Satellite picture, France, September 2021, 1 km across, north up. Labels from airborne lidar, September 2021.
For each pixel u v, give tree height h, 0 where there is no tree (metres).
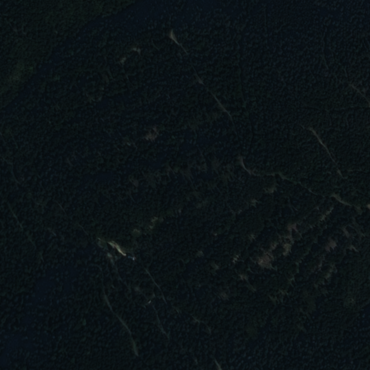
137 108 22
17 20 27
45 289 18
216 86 29
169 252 32
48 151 23
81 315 13
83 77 8
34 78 23
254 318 24
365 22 24
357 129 21
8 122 23
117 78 30
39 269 22
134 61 31
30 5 27
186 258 31
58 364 25
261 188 29
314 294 33
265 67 24
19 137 23
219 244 27
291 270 29
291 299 20
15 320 31
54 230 10
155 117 25
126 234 19
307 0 20
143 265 10
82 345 17
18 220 7
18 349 14
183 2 26
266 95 20
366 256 26
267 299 26
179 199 29
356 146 20
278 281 30
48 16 27
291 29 17
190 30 29
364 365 23
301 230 28
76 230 8
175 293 7
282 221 28
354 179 16
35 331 23
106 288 18
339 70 23
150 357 21
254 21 23
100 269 11
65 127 32
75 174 11
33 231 31
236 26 21
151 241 15
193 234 32
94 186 22
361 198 21
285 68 18
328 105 17
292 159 22
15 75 7
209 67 18
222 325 27
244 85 19
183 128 23
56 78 33
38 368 24
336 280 30
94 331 28
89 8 32
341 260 24
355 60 17
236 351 28
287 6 22
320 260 32
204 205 17
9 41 21
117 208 26
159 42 17
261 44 23
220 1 18
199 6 15
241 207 30
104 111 30
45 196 16
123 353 17
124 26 24
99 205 7
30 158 18
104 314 7
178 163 24
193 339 7
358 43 16
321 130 20
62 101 26
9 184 31
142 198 20
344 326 37
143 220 25
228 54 20
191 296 36
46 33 30
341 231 29
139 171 22
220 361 14
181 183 19
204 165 12
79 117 27
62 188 22
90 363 22
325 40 23
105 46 20
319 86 20
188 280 34
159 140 16
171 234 39
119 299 7
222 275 18
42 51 23
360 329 14
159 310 19
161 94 19
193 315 13
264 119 12
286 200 8
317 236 26
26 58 26
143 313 20
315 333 37
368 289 26
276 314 32
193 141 32
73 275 10
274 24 21
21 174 16
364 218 20
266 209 34
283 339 36
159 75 19
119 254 17
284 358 10
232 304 25
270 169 24
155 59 25
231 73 19
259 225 28
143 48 10
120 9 26
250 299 35
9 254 8
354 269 16
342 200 20
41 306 19
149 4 19
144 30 23
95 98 33
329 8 30
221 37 23
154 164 7
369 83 23
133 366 21
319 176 19
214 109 19
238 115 18
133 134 28
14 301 35
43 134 28
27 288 25
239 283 27
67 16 21
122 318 9
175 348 18
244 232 27
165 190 12
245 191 21
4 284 16
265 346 33
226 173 12
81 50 18
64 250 23
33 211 24
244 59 17
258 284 33
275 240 25
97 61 27
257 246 19
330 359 24
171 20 24
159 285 20
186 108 15
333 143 17
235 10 7
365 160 22
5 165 8
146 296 12
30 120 26
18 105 28
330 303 30
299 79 20
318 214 28
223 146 15
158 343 17
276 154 21
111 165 28
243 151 19
